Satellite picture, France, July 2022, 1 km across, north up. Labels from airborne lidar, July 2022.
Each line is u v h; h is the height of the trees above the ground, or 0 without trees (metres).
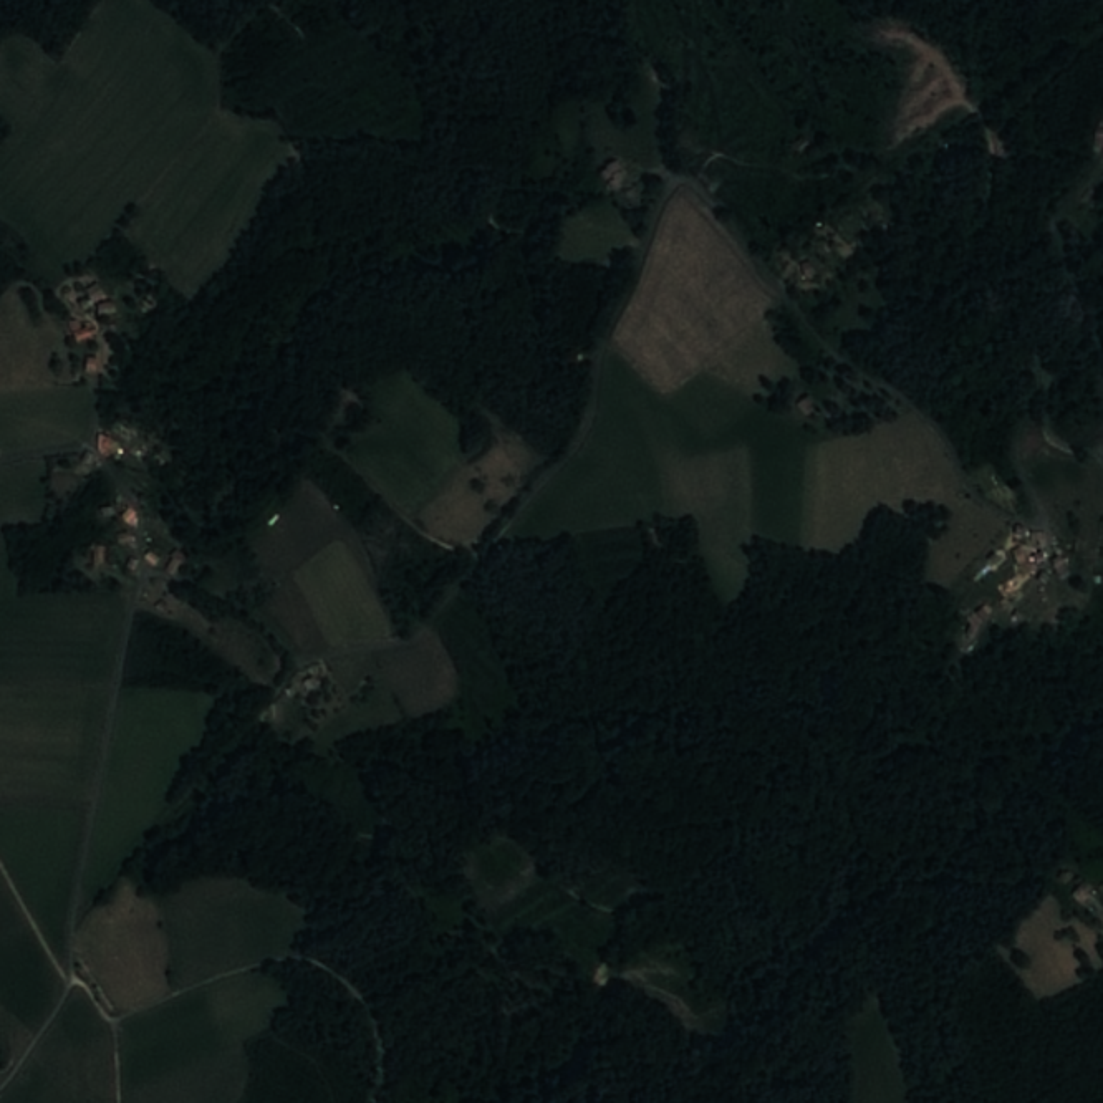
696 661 21
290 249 17
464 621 0
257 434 25
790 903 27
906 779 27
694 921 18
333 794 0
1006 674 18
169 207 0
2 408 0
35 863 0
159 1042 0
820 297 13
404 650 0
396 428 0
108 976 0
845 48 7
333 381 28
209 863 21
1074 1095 7
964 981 8
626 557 0
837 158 20
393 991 14
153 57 0
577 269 11
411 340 25
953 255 21
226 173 0
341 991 19
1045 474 0
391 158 17
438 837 25
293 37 9
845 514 0
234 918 0
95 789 0
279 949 0
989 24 14
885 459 0
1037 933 0
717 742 27
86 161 0
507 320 26
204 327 14
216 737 17
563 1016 18
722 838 26
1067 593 0
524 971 30
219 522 8
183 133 0
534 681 22
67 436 0
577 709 26
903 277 15
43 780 0
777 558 17
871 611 14
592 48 33
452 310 30
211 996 0
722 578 0
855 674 22
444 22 27
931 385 21
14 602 0
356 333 27
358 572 0
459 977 23
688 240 0
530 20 21
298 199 23
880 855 21
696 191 0
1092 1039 14
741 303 0
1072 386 23
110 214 0
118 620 0
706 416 0
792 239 15
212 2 24
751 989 13
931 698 17
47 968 0
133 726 0
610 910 0
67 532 9
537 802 35
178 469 6
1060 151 17
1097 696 25
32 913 0
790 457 0
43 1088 0
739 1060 30
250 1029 0
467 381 22
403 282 36
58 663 0
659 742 26
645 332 0
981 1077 10
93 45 0
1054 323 31
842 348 7
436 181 21
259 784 32
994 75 19
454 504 0
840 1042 23
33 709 0
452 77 12
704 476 0
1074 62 7
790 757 11
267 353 20
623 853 34
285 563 0
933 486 0
